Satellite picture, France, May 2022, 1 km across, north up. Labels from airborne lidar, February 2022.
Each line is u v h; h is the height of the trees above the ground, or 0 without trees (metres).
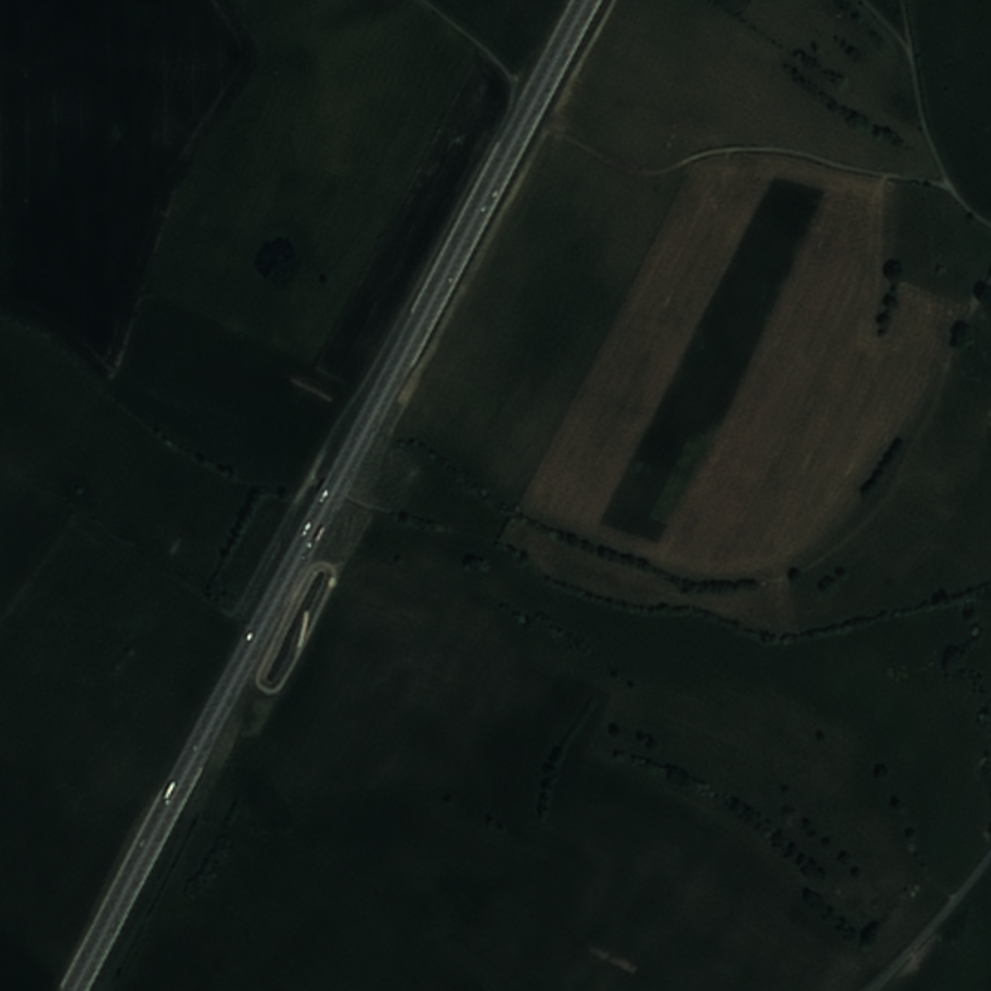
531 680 0
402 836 0
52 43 0
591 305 0
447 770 0
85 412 0
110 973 0
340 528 0
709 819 0
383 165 0
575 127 0
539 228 0
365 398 0
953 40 0
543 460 0
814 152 0
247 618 0
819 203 0
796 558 0
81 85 0
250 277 0
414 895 0
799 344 0
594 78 0
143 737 0
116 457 0
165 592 0
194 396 0
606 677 0
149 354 0
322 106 0
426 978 0
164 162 0
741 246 0
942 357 0
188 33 0
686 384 0
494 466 0
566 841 0
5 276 0
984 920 0
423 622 0
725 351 0
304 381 0
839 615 0
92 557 0
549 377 0
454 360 0
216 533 0
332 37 0
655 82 0
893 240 0
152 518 0
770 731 0
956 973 0
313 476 0
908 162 0
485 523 0
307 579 0
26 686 0
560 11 0
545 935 0
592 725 0
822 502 0
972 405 0
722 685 0
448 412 0
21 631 0
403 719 0
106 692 0
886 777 11
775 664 0
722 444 0
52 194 0
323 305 0
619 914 0
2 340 0
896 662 0
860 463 0
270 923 0
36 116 0
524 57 0
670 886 0
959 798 0
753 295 0
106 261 0
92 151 0
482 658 0
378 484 0
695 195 0
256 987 0
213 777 0
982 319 0
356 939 0
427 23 0
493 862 0
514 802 0
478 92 0
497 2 0
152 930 0
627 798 0
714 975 0
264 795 0
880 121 0
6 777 0
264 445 0
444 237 0
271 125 0
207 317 0
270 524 0
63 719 0
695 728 0
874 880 0
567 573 0
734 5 0
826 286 0
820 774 0
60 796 0
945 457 0
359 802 0
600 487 0
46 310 0
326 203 0
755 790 0
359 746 0
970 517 0
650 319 0
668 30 0
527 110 0
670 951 0
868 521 0
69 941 0
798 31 0
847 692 0
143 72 0
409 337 0
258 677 0
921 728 0
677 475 0
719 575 0
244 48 0
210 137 0
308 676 0
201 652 0
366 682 0
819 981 0
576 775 0
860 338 0
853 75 0
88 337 0
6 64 0
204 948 0
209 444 0
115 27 0
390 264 0
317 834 0
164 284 0
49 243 0
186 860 0
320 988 0
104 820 0
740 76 0
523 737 0
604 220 0
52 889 0
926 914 0
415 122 0
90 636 0
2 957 0
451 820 0
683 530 0
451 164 0
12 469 0
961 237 0
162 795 0
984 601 0
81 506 0
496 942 0
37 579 0
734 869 0
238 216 0
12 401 0
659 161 0
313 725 0
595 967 0
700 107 0
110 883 0
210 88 0
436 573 0
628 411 0
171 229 0
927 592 0
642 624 0
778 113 0
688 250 0
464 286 0
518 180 0
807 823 9
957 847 0
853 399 0
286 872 0
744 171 0
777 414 0
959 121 0
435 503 0
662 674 0
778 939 0
